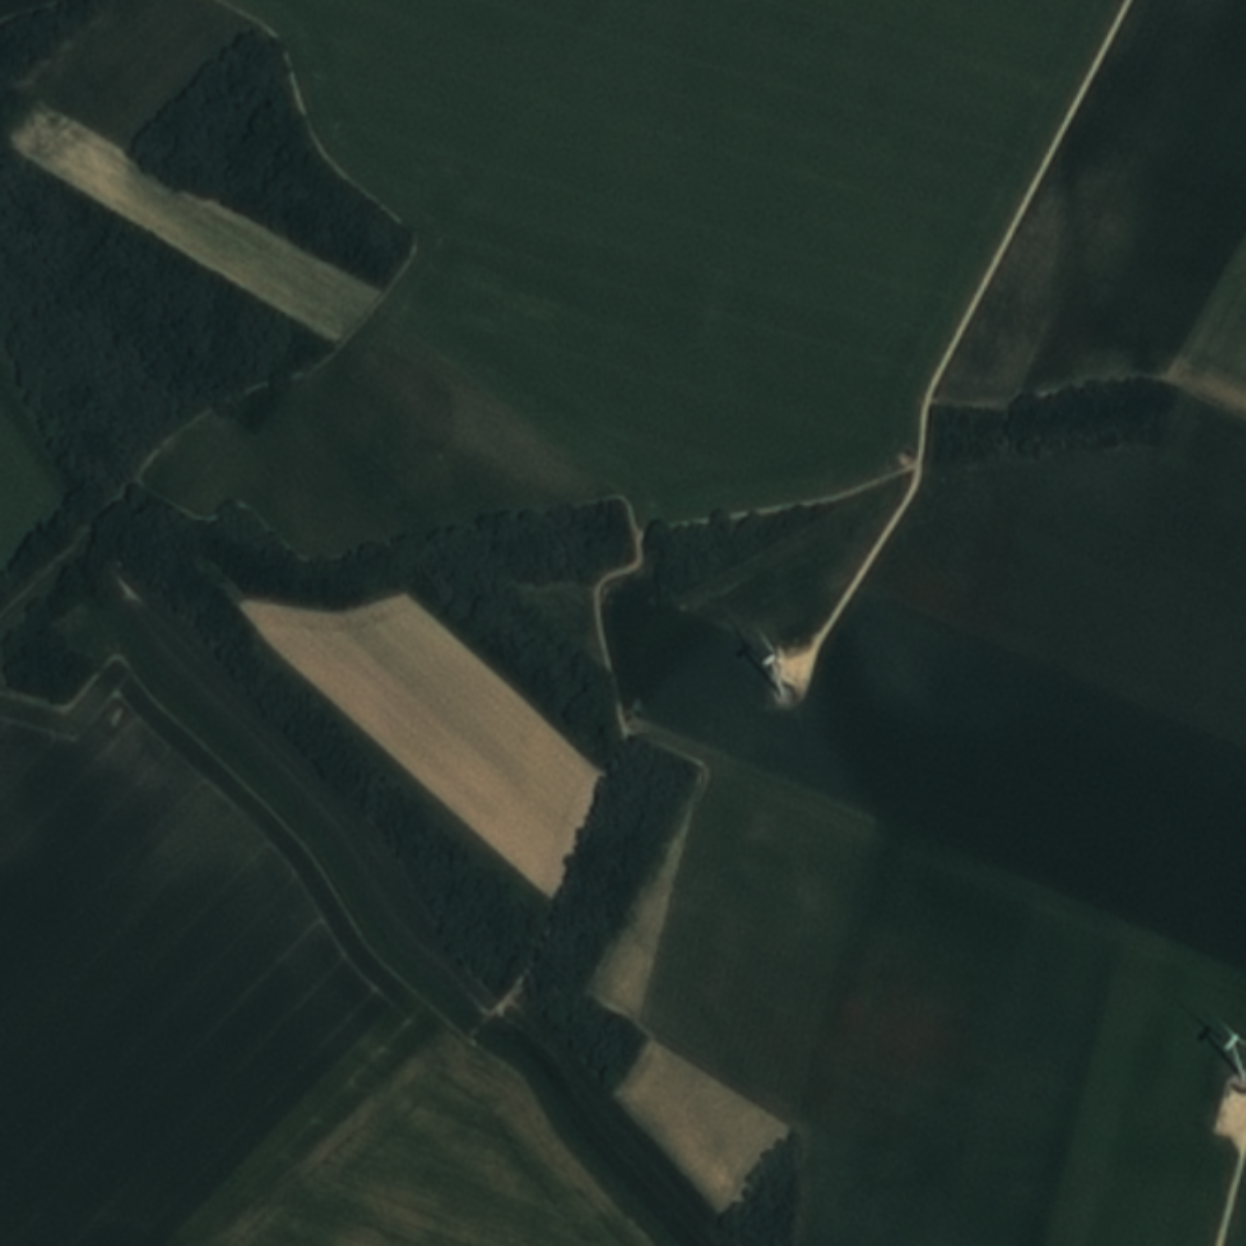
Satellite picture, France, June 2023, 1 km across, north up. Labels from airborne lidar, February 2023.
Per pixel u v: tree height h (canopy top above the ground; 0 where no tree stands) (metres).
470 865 13
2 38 12
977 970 0
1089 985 0
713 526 13
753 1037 0
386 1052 0
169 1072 0
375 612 0
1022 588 0
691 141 0
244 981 0
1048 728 0
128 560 16
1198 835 0
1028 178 0
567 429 0
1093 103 0
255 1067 0
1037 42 0
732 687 0
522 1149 0
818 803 0
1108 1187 0
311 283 0
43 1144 0
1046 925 0
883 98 0
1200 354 0
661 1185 0
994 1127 0
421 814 9
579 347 0
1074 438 12
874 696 0
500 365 0
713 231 0
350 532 0
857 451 0
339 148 0
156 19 0
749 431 0
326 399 0
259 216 12
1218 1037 0
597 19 0
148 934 0
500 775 0
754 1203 7
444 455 0
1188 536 0
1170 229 0
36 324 16
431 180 0
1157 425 16
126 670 0
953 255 0
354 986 0
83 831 0
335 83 0
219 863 0
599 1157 0
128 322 20
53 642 13
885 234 0
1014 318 0
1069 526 0
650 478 0
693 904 0
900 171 0
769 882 0
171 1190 0
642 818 18
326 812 0
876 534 0
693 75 0
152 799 0
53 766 0
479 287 0
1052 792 0
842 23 0
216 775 0
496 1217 0
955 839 0
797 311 0
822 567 0
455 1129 0
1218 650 0
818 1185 0
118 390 19
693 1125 0
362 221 18
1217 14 0
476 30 0
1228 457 0
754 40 0
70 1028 0
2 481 0
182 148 20
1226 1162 0
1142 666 0
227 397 17
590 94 0
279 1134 0
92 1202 0
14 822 0
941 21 0
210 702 0
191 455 0
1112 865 0
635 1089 0
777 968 0
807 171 0
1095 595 0
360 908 0
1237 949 0
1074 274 0
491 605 16
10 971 0
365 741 0
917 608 0
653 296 0
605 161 0
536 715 0
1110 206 0
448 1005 0
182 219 0
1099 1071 0
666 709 0
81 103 0
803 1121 0
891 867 0
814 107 0
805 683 0
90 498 19
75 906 0
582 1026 8
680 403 0
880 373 0
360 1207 0
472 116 0
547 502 0
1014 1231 0
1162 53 0
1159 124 0
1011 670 0
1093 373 0
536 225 0
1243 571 0
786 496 0
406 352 0
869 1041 0
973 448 6
